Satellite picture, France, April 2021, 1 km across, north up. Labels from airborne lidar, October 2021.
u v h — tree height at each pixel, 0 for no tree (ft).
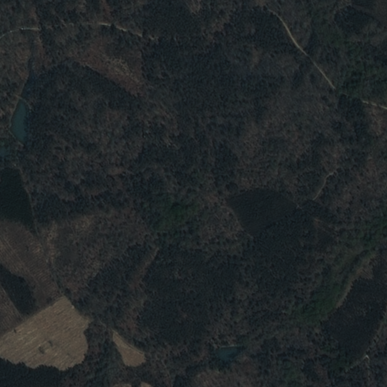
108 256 29
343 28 77
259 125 62
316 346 54
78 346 0
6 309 0
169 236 35
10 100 70
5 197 46
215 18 60
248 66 51
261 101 69
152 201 71
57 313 0
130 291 58
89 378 43
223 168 57
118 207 70
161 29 79
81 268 23
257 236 26
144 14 52
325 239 31
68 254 0
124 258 27
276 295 62
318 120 52
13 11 39
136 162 28
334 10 22
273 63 40
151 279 65
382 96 56
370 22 49
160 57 67
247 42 71
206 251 44
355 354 29
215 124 53
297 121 63
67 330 0
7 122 86
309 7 71
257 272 61
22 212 46
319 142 63
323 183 30
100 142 45
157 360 20
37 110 91
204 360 46
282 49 65
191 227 52
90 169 71
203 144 68
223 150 76
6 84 52
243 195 20
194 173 36
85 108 58
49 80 82
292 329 44
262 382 22
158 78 48
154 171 47
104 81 70
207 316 67
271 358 28
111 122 43
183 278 71
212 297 59
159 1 45
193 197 45
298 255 62
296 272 60
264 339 60
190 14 76
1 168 40
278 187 41
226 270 59
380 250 54
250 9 72
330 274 77
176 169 61
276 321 41
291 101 44
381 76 49
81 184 31
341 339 27
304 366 41
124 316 82
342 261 59
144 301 48
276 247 58
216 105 70
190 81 83
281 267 56
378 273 33
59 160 51
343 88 20
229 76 46
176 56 84
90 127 35
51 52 49
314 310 49
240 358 39
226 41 83
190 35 80
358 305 24
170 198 45
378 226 64
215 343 58
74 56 25
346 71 57
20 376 46
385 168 24
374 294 30
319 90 62
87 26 62
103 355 46
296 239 59
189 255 68
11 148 40
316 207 57
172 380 39
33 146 37
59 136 76
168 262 73
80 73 73
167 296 74
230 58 47
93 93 69
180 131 33
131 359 0
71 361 0
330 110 86
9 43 78
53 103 69
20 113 0
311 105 63
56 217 77
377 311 34
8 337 0
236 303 66
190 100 74
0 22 45
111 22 19
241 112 37
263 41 0
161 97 65
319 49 54
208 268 66
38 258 0
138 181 56
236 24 75
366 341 25
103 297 33
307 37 42
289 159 29
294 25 29
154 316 75
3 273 43
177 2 80
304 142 43
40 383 42
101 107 74
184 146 68
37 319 0
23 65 31
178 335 73
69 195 75
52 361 0
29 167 77
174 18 84
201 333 72
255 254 64
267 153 27
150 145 32
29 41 34
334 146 69
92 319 46
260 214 22
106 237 34
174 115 73
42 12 76
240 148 50
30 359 0
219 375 25
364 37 43
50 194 48
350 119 70
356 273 36
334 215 46
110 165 32
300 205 32
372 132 25
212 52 67
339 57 55
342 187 48
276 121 28
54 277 59
